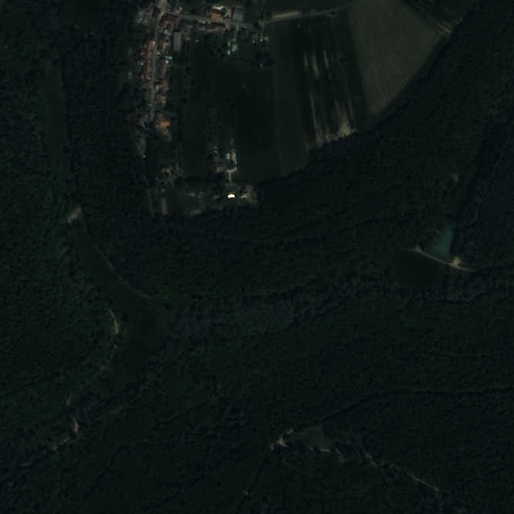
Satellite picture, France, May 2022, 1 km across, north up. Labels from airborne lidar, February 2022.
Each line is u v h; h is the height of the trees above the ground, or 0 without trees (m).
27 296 28
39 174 29
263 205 19
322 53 0
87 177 24
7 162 33
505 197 18
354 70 0
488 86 29
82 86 28
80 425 19
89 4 0
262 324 30
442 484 25
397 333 23
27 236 29
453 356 20
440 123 23
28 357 26
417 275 0
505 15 22
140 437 9
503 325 25
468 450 28
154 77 0
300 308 28
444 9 0
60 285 29
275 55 0
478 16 21
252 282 26
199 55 0
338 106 0
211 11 0
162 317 29
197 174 0
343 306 27
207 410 7
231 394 23
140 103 16
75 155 17
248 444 22
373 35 0
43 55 18
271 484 11
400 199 26
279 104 0
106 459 10
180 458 8
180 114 17
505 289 20
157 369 13
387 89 0
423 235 23
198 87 0
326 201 22
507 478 27
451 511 35
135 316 0
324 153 9
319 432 0
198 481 18
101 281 0
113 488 10
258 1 0
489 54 25
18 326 27
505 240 18
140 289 20
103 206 27
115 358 8
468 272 0
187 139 0
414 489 16
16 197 29
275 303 27
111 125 24
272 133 0
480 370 25
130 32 16
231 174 0
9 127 28
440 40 0
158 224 20
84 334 22
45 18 36
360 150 21
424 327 25
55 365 32
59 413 0
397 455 25
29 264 26
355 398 24
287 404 24
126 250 27
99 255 0
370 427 25
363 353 21
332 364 22
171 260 30
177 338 27
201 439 13
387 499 5
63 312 28
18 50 26
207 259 27
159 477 6
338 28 0
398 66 0
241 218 23
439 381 28
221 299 21
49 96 0
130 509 9
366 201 23
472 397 25
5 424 24
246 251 25
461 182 10
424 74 0
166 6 0
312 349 20
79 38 13
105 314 19
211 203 0
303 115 0
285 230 14
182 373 10
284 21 0
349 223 22
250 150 0
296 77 0
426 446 28
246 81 0
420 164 23
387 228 26
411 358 25
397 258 0
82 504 13
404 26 0
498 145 40
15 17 0
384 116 0
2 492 25
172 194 0
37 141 29
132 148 20
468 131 27
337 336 24
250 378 26
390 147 24
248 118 0
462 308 26
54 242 30
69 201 23
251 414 27
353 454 32
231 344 28
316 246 23
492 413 30
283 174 0
